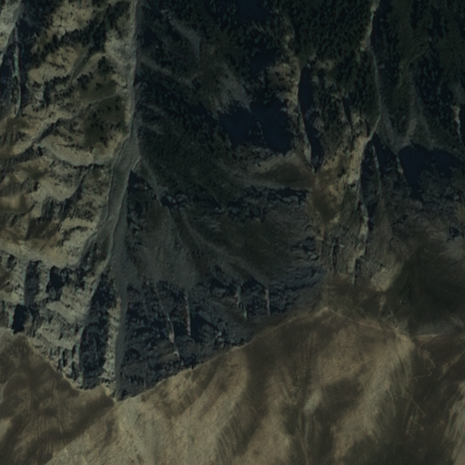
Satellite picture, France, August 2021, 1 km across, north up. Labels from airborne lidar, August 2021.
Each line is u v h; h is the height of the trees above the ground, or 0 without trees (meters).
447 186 0
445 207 0
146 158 0
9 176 0
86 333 0
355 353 0
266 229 0
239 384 0
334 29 7
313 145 0
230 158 0
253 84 7
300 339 0
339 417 0
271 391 0
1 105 0
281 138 0
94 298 0
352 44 16
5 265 0
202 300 0
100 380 0
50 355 0
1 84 0
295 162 0
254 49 18
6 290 0
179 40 19
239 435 0
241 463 0
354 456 0
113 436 0
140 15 0
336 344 0
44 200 0
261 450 0
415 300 0
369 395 0
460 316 0
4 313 0
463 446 0
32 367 0
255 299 0
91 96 0
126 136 0
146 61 0
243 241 0
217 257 0
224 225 0
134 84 0
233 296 0
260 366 0
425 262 0
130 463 0
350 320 0
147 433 0
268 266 0
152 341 0
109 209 0
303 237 0
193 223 0
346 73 14
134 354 0
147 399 0
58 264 0
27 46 0
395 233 0
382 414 0
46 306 0
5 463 0
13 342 0
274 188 0
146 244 0
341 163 0
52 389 0
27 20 0
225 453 0
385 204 0
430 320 0
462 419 0
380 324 0
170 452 0
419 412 0
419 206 0
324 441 0
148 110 0
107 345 0
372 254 0
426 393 0
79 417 0
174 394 0
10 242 0
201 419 0
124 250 0
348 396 0
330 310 0
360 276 0
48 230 0
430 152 0
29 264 0
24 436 0
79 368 0
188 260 0
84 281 0
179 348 0
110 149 0
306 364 0
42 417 0
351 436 0
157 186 0
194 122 8
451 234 0
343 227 0
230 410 0
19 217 0
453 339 0
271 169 0
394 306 0
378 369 0
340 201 0
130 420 0
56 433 0
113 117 0
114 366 0
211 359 0
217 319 0
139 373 0
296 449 0
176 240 0
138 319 0
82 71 0
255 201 0
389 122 0
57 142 0
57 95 11
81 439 0
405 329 0
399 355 0
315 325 0
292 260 0
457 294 0
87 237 0
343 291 0
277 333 0
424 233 0
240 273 0
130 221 0
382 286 0
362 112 14
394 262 0
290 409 0
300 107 0
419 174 0
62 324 0
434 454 0
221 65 0
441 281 0
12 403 0
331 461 0
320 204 0
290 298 0
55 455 0
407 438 0
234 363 0
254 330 0
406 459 0
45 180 0
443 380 0
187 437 0
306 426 0
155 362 0
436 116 14
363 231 0
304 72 0
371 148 0
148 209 0
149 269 0
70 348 0
